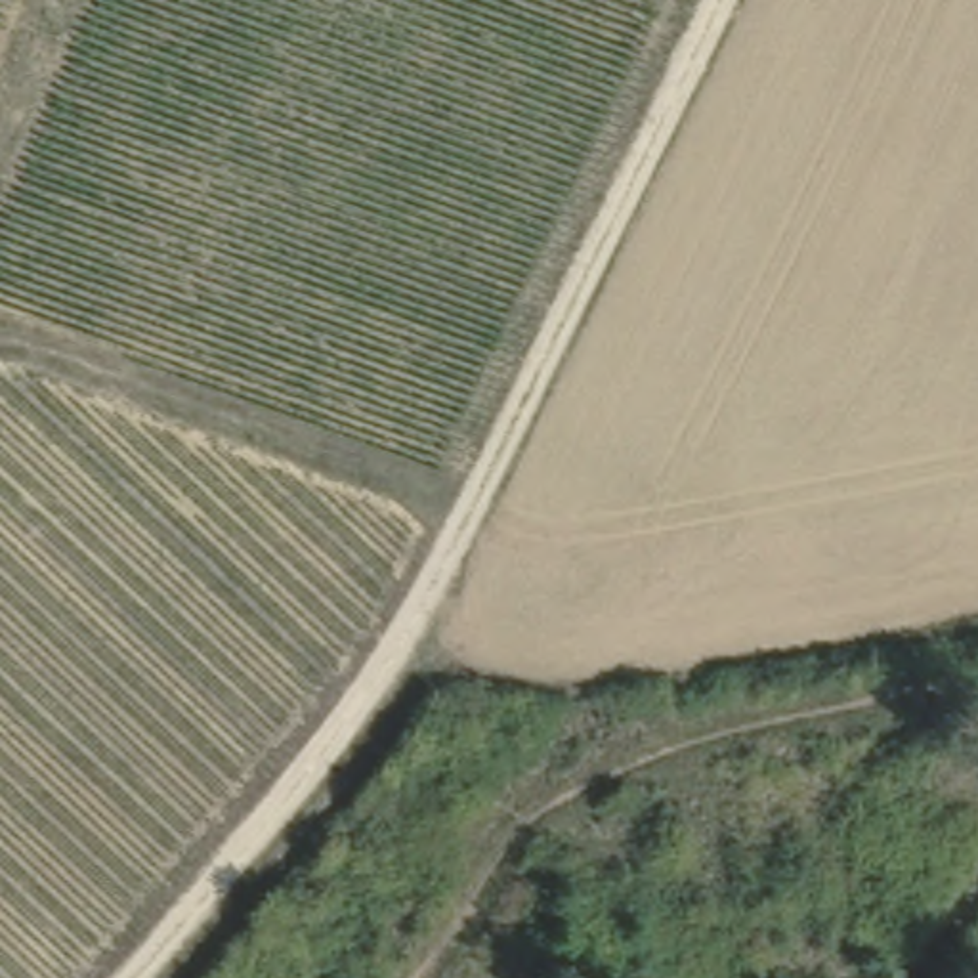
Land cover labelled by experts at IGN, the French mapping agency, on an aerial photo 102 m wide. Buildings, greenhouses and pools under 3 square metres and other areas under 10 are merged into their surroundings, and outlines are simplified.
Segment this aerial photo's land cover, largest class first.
<instances>
[{"label":"vineyard","instance_id":"1","mask_svg":"<svg viewBox=\"0 0 978 978\"><path fill-rule=\"evenodd\" d=\"M699 0H88V8L76 19L65 65L50 84L46 111L31 130L19 180L0 210V302L19 306L53 325L76 329L92 340H107L122 351V363L130 367L164 371L176 382L214 390L218 409L241 413L252 405L260 413L309 424L325 436H340L348 443L420 466L428 474L447 462L466 481L520 378V367L539 336L546 309L562 290V279L569 275L573 256L581 252L615 183V172L623 168L646 122V111L669 73V61ZM443 523L436 516L420 520L401 500L382 497L374 489L329 478L321 470H306L283 455H267L241 439L210 436L187 428L183 420L149 413L118 393H84L65 378L42 382L31 371L23 374L19 359H0V978H111L145 944L157 921L183 898L199 867L260 806V798L287 772V764L332 714L340 695L355 684L378 638L390 630L397 607L405 604L409 588L416 585Z\"/></svg>","mask_w":978,"mask_h":978},{"label":"plowed land","instance_id":"2","mask_svg":"<svg viewBox=\"0 0 978 978\"><path fill-rule=\"evenodd\" d=\"M963 615H978V0H734L730 19L714 38V50L573 325L562 359L546 378V390L405 672L466 665L520 680L562 684L588 680L619 665L688 672L707 657L844 642L879 630H921Z\"/></svg>","mask_w":978,"mask_h":978},{"label":"brushwood","instance_id":"3","mask_svg":"<svg viewBox=\"0 0 978 978\"><path fill-rule=\"evenodd\" d=\"M802 699H848V711H867L871 703H882L894 714V726L867 749V756L848 764L852 783H825V791L818 795L814 825L798 829L795 821H783L768 833V844H737L734 837H718L714 852L722 875L714 882L672 879L669 886H661L642 867L661 848L665 802L646 806L630 821L627 848L600 863L588 852H577L573 840L531 821L512 837L497 875L485 882L478 898V913L458 932L462 944L493 951L489 970L497 978H978V615H963L921 630H879L844 642L707 657L688 672L619 665L588 680L562 684L520 680L466 665L405 672L393 695L371 714L363 734L329 768L325 783L306 798V806L287 821V829L264 848V856L252 867L229 879V886L218 894L214 917L199 928V936L172 959V967L160 978H378L374 921L382 913H393L397 932L416 936L424 932L428 909H439L447 894L466 905L474 890V833L481 821H489L493 795L504 783H523V772H535L542 764L562 726L577 714L638 722L653 711L665 714L676 707L691 711L695 722H703L726 711L753 707L791 711Z\"/></svg>","mask_w":978,"mask_h":978},{"label":"herbaceous vegetation","instance_id":"4","mask_svg":"<svg viewBox=\"0 0 978 978\"><path fill-rule=\"evenodd\" d=\"M88 8V0H0V210L19 180L31 130L46 111L50 84L65 65L76 19ZM0 359H19L23 374L31 371L42 382L65 378L84 393H118L149 413L183 420L187 428L210 436L241 439L267 455H283L306 470H321L329 478L374 489L382 497L401 500L420 520L436 516L443 523L466 481L447 462L428 474L420 466L348 443L340 436H325L309 424L260 413L252 405L241 413L218 409L214 390L176 382L164 371L130 367L122 363V351L107 340H92L76 329L53 325L19 306L0 302ZM894 726V714L882 703H871L867 711H848V699H802L791 711L753 707L726 711L703 722H695L691 711L676 707L665 714L653 711L638 722L577 714L562 726L542 764L535 772H523V783H504L493 795L489 821H481L474 833V890L466 905L447 894L439 909H428L424 932L416 936L397 932L393 913H382L374 921L378 978H497L489 970L493 951L462 944L458 932L478 913V898L485 882L497 875L512 837L531 821L573 840L577 852H588L600 863L627 848L630 821L646 806L665 802L661 848L642 867L661 886H669L672 879L714 882L722 875L714 852L718 837H734L737 844H768V833L783 821H795L798 829L814 825L818 795L825 791V783H852L848 764L867 756V749Z\"/></svg>","mask_w":978,"mask_h":978},{"label":"pervious surface","instance_id":"5","mask_svg":"<svg viewBox=\"0 0 978 978\"><path fill-rule=\"evenodd\" d=\"M734 0H699L669 61V73L646 111V122L623 168L615 172V183L581 252L573 256L569 275L562 279V290L546 309L539 336L520 367V378L466 481L443 523L416 585L409 588L405 604L397 607L390 630L378 638L355 684L340 695L332 714L287 764V772L260 798V806L199 867L183 898L157 921L145 944L111 978H160L172 967V959L199 936V928L214 917L218 894L229 886V879L252 867L264 856V848L287 829V821L306 806V798L325 783L329 768L363 734L371 714L393 695L405 672L546 390V378L562 359L573 325L714 50V38L730 19Z\"/></svg>","mask_w":978,"mask_h":978}]
</instances>
